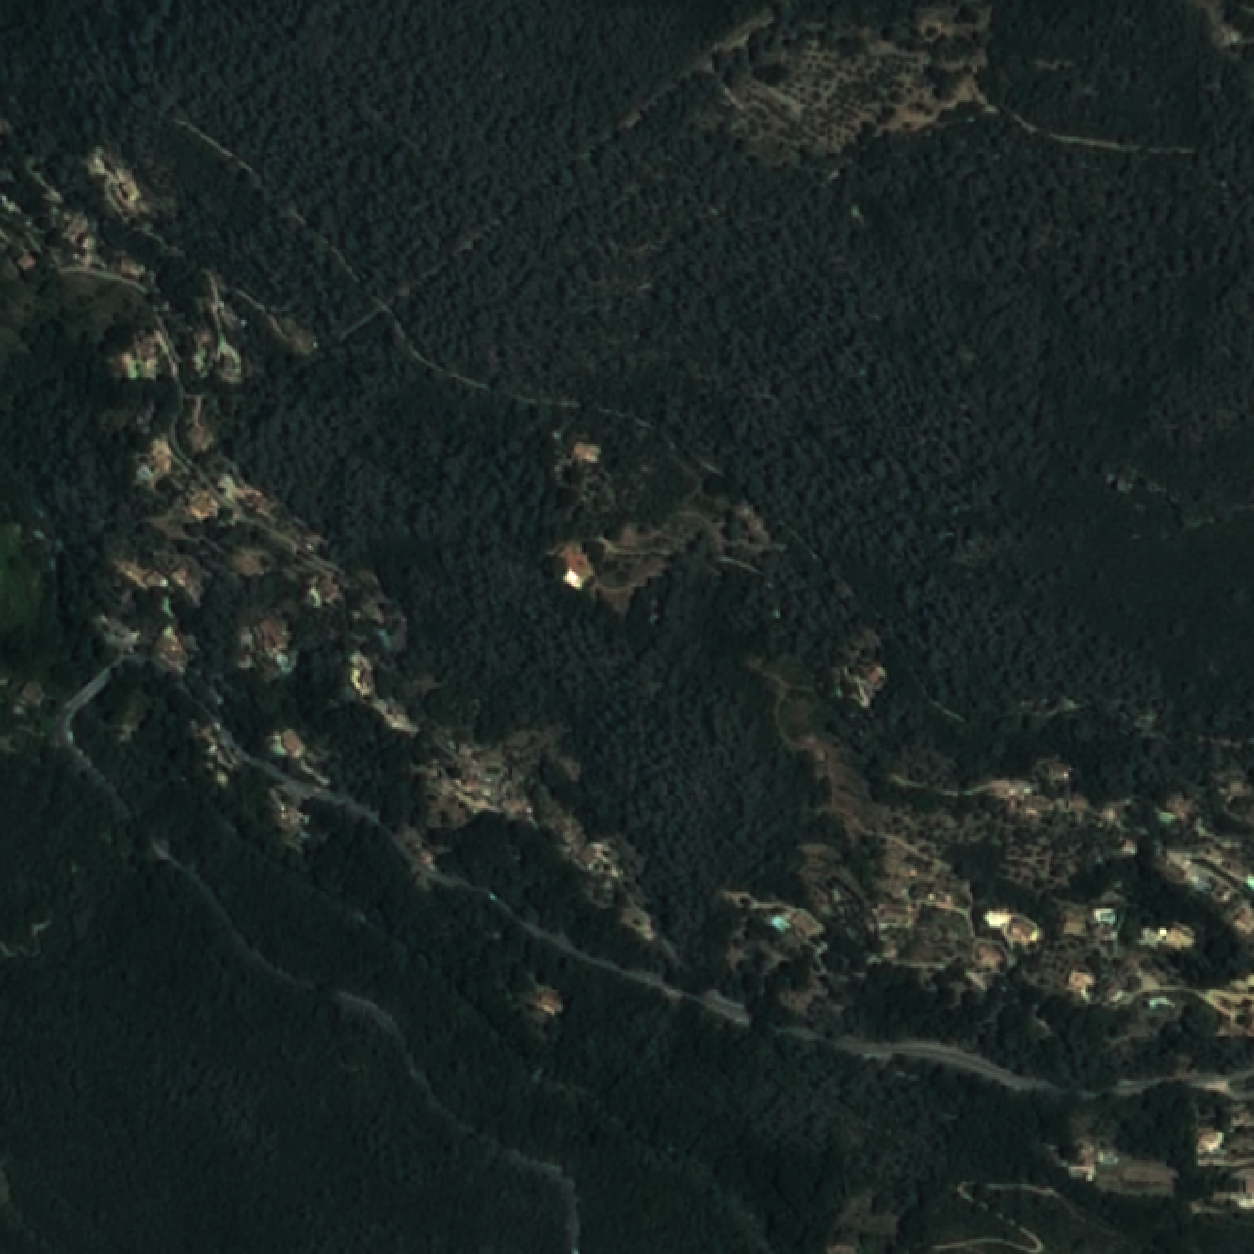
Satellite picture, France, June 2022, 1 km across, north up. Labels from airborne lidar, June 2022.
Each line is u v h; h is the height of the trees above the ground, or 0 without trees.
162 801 21
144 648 9
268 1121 12
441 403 9
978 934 6
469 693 11
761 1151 15
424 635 12
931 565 9
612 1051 23
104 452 14
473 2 20
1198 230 12
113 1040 14
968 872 19
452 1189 20
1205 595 12
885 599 11
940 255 19
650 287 23
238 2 8
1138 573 9
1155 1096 15
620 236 7
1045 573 8
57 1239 10
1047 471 12
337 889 15
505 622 13
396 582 18
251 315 11
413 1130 13
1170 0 19
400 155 17
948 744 10
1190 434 14
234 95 8
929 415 25
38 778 15
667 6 12
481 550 8
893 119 7
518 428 17
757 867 9
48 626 14
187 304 10
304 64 21
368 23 19
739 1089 15
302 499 21
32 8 10
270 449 21
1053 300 12
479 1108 19
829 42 15
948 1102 13
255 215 12
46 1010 11
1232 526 8
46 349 8
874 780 10
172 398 15
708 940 13
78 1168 14
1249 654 9
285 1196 10
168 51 20
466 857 23
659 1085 16
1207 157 9
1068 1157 17
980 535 15
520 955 17
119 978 17
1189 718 24
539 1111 20
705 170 16
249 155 18
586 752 13
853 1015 10
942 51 16
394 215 21
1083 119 8
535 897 20
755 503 21
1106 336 18
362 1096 10
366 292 18
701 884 23
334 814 11
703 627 12
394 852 8
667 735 20
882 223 15
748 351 23
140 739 9
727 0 13
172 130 9
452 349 15
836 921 8
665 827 14
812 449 16
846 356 21
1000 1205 10
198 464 8
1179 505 22
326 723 14
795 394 15
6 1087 15
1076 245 14
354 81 7
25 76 18
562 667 14
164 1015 11
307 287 14
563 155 21
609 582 0
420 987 15
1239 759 9
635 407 11
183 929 18
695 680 12
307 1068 10
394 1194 19
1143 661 11
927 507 21
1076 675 19
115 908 13
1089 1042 17
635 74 20
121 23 9
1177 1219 10
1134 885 8
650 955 21
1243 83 15
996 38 7
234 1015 15
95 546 11
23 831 6
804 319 19
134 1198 9
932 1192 12
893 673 10
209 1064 10
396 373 16
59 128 21
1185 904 17
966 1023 14
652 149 18
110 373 16
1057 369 10
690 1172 20
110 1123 10
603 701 10
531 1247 11
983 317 15
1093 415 12
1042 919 8
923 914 6
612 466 6
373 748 14
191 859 15
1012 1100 21
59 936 9
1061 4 9
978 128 8
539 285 21
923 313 8
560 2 16
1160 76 9
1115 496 9
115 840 8
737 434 24
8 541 8
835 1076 25
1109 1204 17
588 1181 14
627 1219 19
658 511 6
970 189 20
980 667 8
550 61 16
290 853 18
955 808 7
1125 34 7
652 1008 11
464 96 14
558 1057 13
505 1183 9
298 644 9
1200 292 9
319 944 15
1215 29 13
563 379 6
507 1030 16
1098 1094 15
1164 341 9
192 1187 13
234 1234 15
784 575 20
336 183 24
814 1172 16
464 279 18
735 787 16
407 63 13
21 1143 12
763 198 8
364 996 9
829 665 9
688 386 8
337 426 20
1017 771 14
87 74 28
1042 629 18
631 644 8
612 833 12
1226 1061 25
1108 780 25
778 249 22
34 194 15
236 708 17
